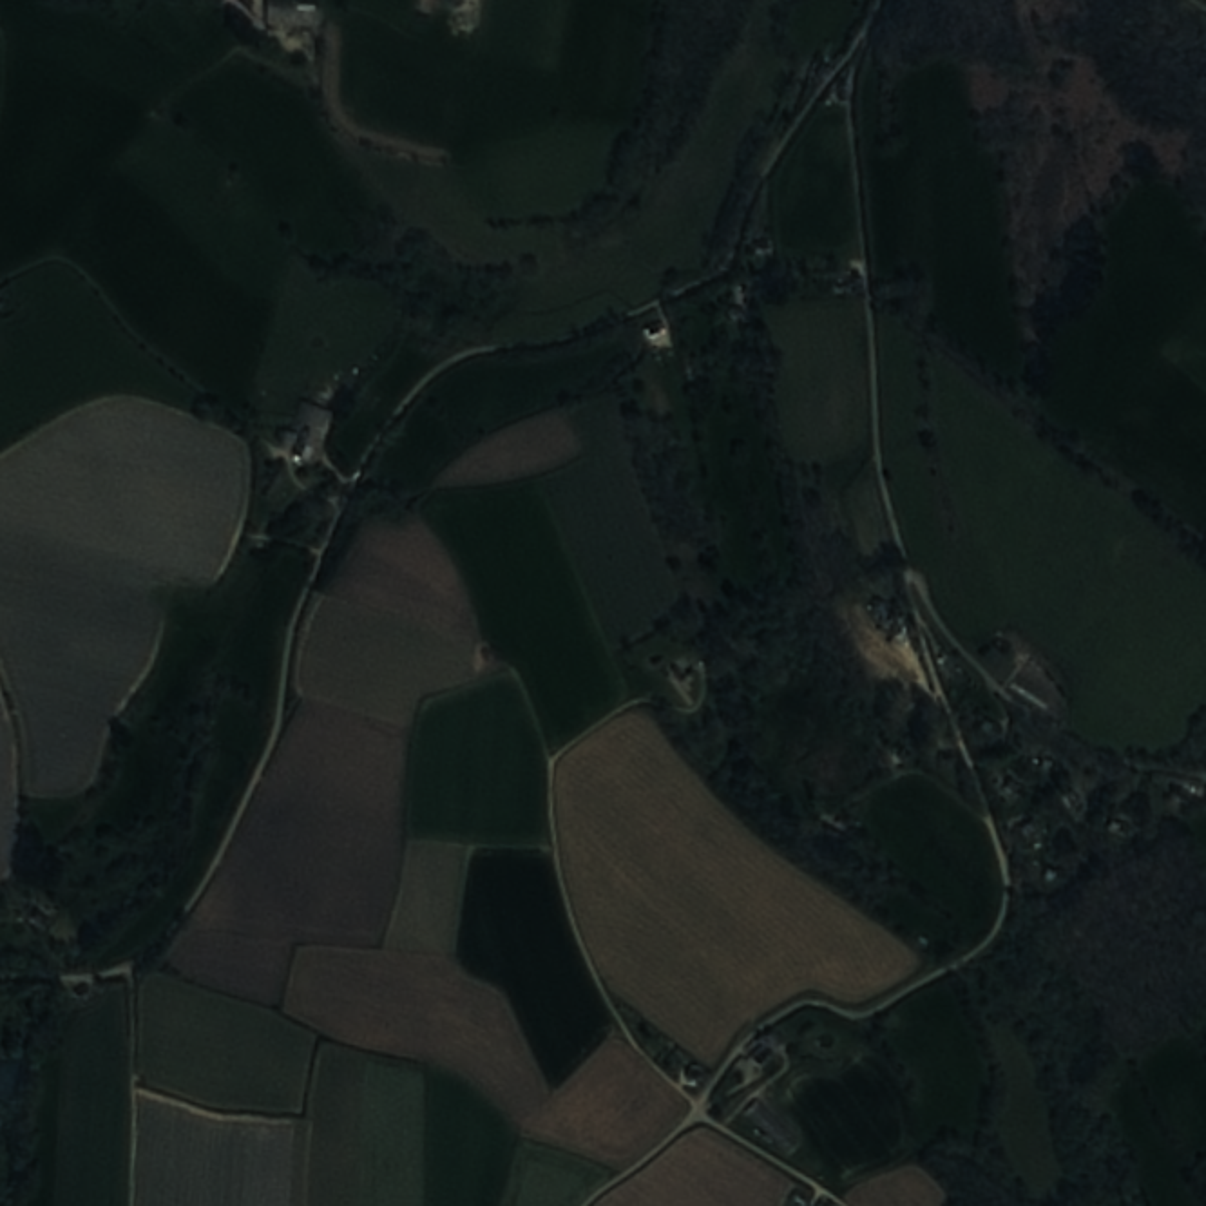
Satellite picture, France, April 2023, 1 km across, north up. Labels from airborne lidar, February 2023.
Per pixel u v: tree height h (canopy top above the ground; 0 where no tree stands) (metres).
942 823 0
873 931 0
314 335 0
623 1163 0
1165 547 0
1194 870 26
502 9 0
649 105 13
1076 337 0
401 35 0
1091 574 0
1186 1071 0
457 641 0
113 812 0
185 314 0
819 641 16
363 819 0
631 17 0
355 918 0
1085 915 25
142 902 7
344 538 7
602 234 25
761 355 9
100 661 0
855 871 14
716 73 21
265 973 0
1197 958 22
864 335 0
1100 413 0
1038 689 0
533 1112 0
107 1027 0
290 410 0
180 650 0
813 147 0
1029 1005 7
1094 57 7
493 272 11
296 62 13
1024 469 0
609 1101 0
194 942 0
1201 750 8
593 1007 0
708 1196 0
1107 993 25
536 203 0
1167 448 0
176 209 0
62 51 0
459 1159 0
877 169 0
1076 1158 9
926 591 0
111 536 0
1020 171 11
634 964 0
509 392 0
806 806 16
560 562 0
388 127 0
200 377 0
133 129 0
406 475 0
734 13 19
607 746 0
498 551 0
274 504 0
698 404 9
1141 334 0
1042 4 0
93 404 0
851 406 0
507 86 0
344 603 0
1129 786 9
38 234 0
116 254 0
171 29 0
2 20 0
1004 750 15
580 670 0
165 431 0
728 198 6
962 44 20
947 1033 0
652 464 10
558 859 0
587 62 0
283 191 0
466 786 0
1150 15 24
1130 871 25
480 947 0
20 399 0
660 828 0
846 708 10
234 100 0
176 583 0
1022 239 7
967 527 0
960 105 0
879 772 14
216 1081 0
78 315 0
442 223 0
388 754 0
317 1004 0
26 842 16
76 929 0
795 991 0
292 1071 0
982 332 0
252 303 0
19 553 0
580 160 0
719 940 0
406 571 0
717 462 0
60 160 0
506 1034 0
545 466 0
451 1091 0
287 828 0
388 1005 0
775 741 0
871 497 0
